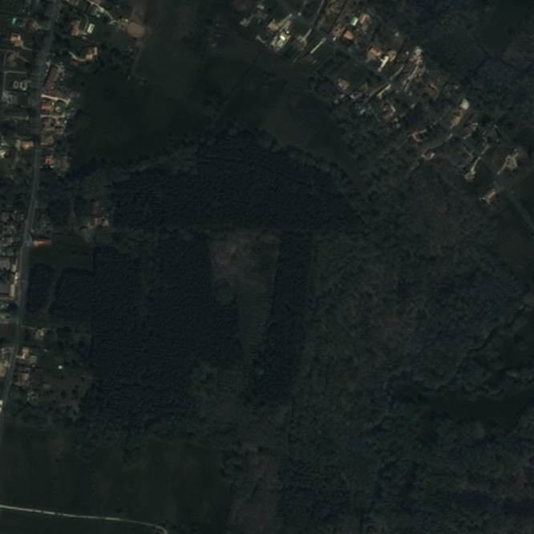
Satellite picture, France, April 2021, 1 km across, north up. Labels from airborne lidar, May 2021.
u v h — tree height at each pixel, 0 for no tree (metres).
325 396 18
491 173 0
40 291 20
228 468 26
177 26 9
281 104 0
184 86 0
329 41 0
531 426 7
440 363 24
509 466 17
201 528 0
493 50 0
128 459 15
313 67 0
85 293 17
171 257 22
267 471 9
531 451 10
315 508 12
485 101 15
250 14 0
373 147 17
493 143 8
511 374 10
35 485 0
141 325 20
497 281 18
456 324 20
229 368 19
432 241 10
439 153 13
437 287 18
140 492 0
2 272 12
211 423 16
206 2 0
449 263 17
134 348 23
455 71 0
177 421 23
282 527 6
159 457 0
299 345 17
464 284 12
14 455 0
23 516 0
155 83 0
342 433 20
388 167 18
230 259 20
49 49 26
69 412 14
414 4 18
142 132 0
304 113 0
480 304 17
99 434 20
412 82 10
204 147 20
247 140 19
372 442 11
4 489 0
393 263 20
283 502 13
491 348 19
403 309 19
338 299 6
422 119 21
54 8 27
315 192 16
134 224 12
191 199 22
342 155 0
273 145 11
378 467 17
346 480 11
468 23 8
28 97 0
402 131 25
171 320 18
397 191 12
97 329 18
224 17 0
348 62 14
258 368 23
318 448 24
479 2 0
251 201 18
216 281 20
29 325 0
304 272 17
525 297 15
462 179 12
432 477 23
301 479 14
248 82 0
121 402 14
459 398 0
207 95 0
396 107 0
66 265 0
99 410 18
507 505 10
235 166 18
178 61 0
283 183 20
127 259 21
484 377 15
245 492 15
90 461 11
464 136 0
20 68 0
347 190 19
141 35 0
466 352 19
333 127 0
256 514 13
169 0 7
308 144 0
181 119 0
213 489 0
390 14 18
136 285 22
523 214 0
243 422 8
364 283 20
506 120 13
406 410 24
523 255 0
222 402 14
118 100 0
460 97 18
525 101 21
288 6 0
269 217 19
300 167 16
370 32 11
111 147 0
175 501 0
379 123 17
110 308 19
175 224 22
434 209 9
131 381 20
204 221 21
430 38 18
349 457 17
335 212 20
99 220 0
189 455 0
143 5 0
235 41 0
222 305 24
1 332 0
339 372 20
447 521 19
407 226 13
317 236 20
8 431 0
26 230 0
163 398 13
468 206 16
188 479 0
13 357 0
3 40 8
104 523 0
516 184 0
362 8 9
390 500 17
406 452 22
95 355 17
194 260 18
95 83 0
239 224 20
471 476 10
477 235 12
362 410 14
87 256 7
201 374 28
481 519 20
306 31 0
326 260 12
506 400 0
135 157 0
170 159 24
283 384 23
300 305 16
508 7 0
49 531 0
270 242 10
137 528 0
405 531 0
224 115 0
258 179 19
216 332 20
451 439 18
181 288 17
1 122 0
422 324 13
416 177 14
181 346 21
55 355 0
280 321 13
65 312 19
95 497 0
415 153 11
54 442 0
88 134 0
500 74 20
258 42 0
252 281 16
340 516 13
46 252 0
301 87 0
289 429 7
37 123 25
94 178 30
